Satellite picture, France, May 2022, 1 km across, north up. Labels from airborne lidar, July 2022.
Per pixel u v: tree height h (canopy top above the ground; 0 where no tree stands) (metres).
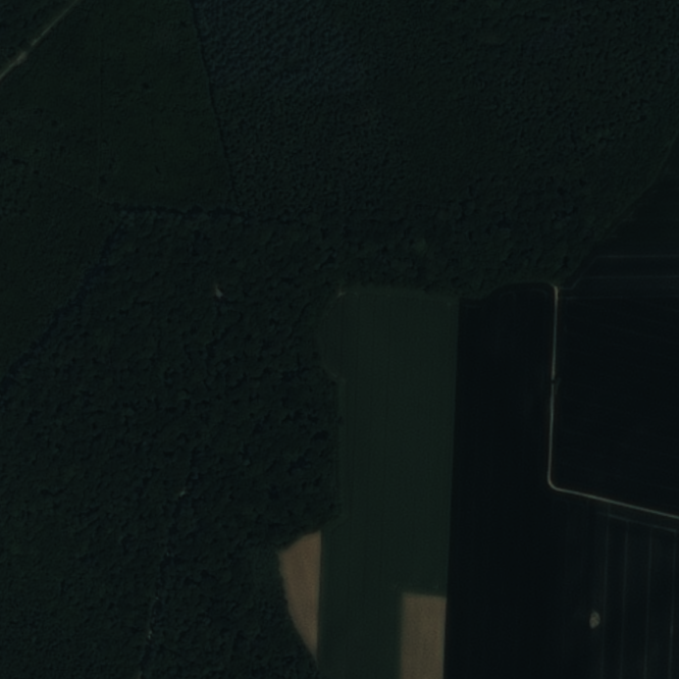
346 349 0
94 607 18
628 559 0
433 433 0
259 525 31
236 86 24
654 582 0
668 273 0
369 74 21
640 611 0
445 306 0
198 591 28
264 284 30
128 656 22
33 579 19
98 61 7
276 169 20
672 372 0
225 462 31
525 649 0
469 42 29
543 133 27
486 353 0
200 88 6
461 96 20
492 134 22
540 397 0
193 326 30
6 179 10
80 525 22
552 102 29
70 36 8
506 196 25
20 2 33
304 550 0
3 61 24
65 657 19
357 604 0
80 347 27
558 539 0
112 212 7
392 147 21
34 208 8
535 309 0
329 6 22
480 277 22
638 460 0
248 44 32
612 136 25
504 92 26
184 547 26
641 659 0
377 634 0
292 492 28
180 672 24
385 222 26
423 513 0
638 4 27
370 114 22
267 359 31
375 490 0
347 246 28
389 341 0
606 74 28
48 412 23
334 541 0
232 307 28
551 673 0
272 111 22
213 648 27
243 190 22
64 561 17
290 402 31
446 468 0
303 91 25
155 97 8
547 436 0
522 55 28
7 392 27
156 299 27
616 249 0
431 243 33
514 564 0
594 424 0
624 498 0
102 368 25
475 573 0
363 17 17
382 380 0
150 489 26
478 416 0
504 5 26
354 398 0
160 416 31
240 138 19
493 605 0
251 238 32
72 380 26
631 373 0
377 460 0
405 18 17
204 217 27
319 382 26
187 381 31
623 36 28
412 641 0
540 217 28
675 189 0
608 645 0
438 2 33
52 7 27
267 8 22
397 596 0
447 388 0
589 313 0
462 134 18
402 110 23
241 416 36
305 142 20
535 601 0
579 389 0
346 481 0
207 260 29
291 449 31
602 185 23
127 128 7
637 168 20
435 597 0
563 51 26
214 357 34
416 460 0
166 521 24
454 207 31
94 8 7
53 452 21
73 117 7
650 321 0
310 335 22
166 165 6
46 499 26
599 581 0
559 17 27
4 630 19
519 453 0
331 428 16
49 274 6
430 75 19
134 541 25
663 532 0
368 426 0
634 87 26
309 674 17
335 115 24
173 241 30
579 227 29
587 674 0
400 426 0
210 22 32
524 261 26
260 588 22
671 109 22
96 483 23
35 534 18
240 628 30
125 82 9
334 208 22
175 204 7
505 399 0
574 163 25
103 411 26
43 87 6
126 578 22
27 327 5
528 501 0
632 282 0
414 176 21
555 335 0
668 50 28
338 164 20
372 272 28
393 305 0
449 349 0
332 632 0
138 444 7
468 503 0
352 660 0
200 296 29
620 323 0
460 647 0
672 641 0
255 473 30
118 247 26
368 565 0
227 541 30
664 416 0
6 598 20
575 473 0
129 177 6
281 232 28
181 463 24
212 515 25
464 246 28
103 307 32
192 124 6
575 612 0
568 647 0
